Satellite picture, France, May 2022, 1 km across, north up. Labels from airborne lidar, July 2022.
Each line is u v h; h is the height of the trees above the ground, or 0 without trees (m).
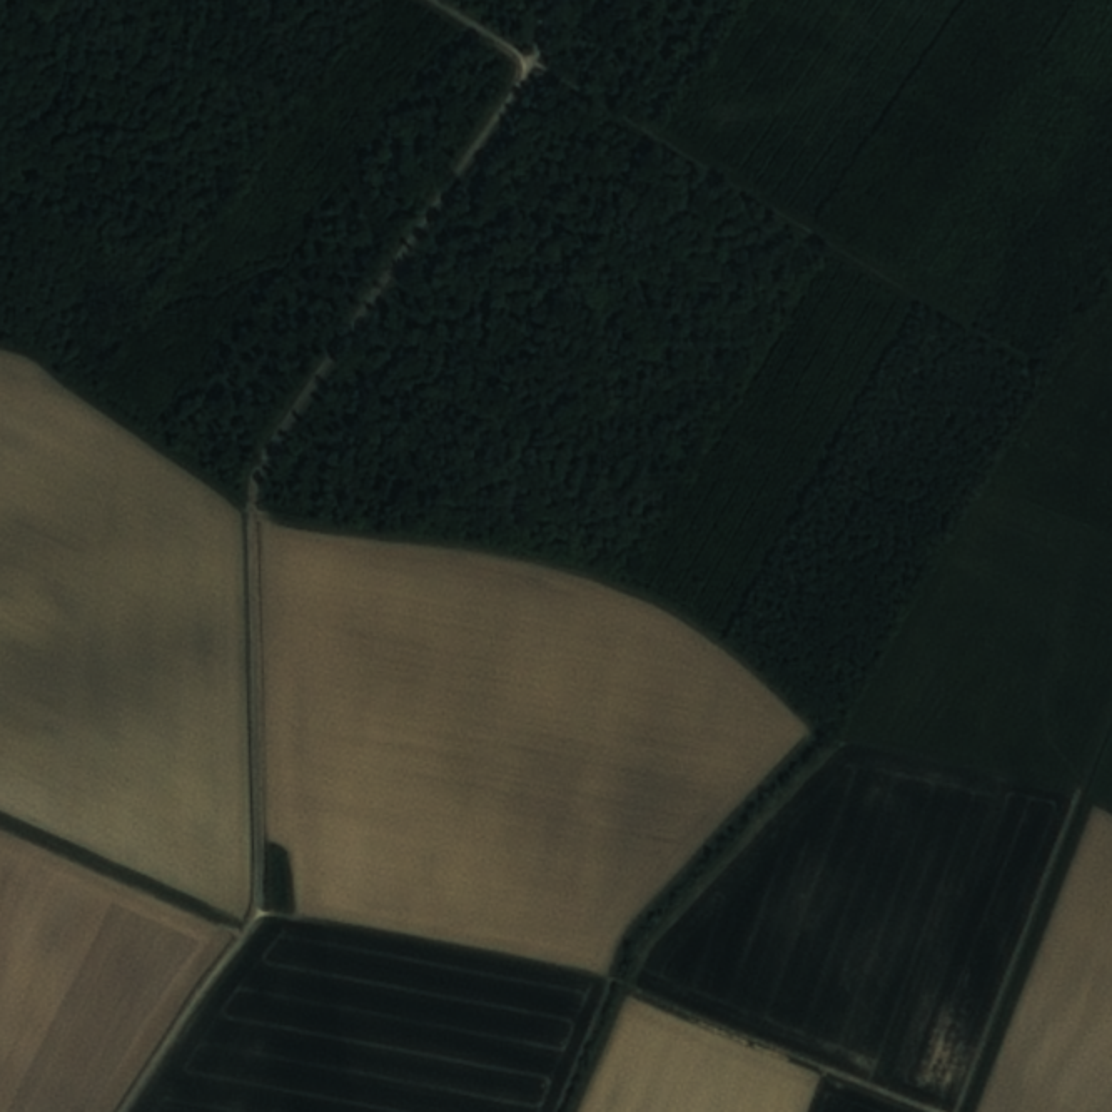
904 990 0
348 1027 0
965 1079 0
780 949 0
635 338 23
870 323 6
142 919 0
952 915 0
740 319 22
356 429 24
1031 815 0
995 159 13
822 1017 0
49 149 20
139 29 22
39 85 22
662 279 17
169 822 0
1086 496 0
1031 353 12
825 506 19
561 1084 0
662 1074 0
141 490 0
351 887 0
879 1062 0
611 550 18
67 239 20
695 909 0
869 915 0
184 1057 0
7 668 0
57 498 0
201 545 0
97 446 0
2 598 0
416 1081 0
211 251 11
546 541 17
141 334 11
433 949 0
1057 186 14
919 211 10
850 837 0
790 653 17
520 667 0
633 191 24
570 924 0
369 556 0
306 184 9
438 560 0
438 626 0
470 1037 0
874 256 7
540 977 0
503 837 0
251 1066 0
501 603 0
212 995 0
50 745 0
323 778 0
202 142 22
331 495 18
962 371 17
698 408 20
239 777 0
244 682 0
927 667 0
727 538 6
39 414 0
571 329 22
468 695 0
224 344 6
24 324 21
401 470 23
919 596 8
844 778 0
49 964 0
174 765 0
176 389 7
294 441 18
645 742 0
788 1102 0
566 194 22
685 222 24
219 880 0
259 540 0
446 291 26
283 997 0
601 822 0
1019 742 0
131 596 0
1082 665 0
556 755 0
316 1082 0
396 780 0
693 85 15
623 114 23
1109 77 11
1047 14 8
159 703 0
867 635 17
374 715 0
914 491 19
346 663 0
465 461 23
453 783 0
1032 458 0
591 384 19
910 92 9
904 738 0
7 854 0
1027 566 0
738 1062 0
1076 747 0
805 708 13
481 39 18
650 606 0
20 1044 0
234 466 15
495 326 24
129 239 22
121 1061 0
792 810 0
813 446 6
